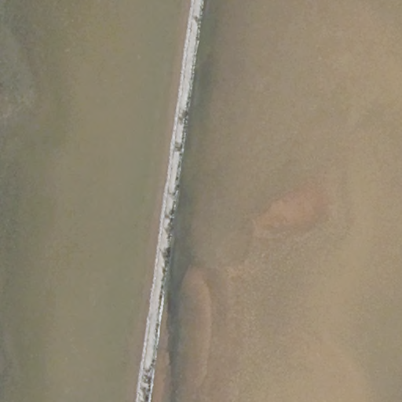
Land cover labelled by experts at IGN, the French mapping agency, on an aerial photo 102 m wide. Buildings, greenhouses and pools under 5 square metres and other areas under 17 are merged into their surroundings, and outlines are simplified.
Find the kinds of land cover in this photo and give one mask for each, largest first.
<instances>
[{"label":"water","instance_id":"1","mask_svg":"<svg viewBox=\"0 0 402 402\"><path fill-rule=\"evenodd\" d=\"M192 0H0V402H135L154 278L155 250L159 240L163 188L170 162L174 111L181 82L182 55ZM198 46L193 64L192 88L188 94L187 108L182 115L184 133L182 143L176 144V151L179 152L181 160L168 225V248L163 256L165 265L162 291H165V309L159 344L155 345L151 364L155 371L152 402H402V0H203L196 36Z\"/></svg>","mask_w":402,"mask_h":402},{"label":"pervious surface","instance_id":"2","mask_svg":"<svg viewBox=\"0 0 402 402\"><path fill-rule=\"evenodd\" d=\"M203 0H192L182 55L181 82L174 111L170 162L163 188L159 240L155 250L154 278L135 402H141L143 388H148V383L144 382V372L151 364L155 345L159 344L165 309V291H162L165 265L163 256L168 248V225L181 160L179 152L176 151V144L182 143L184 133L182 115L187 108L188 94L192 88L193 64L198 46L196 36Z\"/></svg>","mask_w":402,"mask_h":402},{"label":"brushwood","instance_id":"3","mask_svg":"<svg viewBox=\"0 0 402 402\"><path fill-rule=\"evenodd\" d=\"M155 371L151 364L144 372V382L148 383V388H143L141 402H152Z\"/></svg>","mask_w":402,"mask_h":402}]
</instances>
